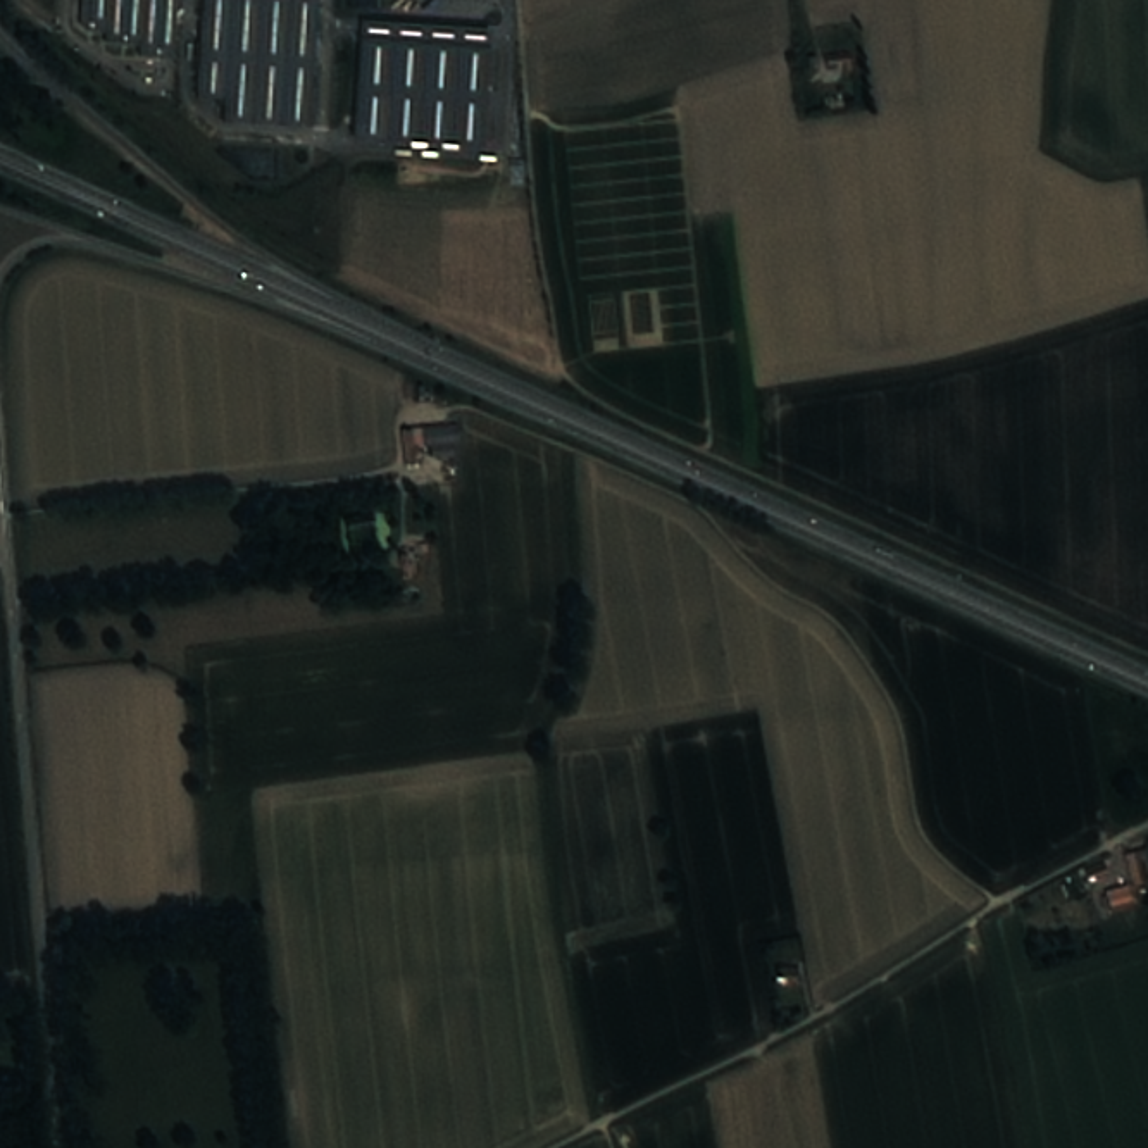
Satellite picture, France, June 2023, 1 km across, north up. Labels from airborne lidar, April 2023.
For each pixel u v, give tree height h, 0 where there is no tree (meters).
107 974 0
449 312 0
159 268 0
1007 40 0
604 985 0
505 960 0
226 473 0
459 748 0
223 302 0
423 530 0
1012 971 0
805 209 0
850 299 0
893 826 0
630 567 0
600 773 0
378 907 0
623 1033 0
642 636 0
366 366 0
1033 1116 0
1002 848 0
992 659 0
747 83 0
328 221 0
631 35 0
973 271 0
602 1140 0
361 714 0
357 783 0
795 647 0
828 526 0
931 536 0
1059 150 0
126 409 0
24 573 0
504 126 0
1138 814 0
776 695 0
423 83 0
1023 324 0
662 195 0
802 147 0
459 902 0
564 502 0
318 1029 0
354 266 0
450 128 0
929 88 0
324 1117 0
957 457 0
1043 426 0
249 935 30
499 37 0
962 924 0
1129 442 0
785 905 0
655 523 0
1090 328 0
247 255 0
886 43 0
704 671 0
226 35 0
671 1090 0
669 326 0
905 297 0
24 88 25
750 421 0
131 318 0
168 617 0
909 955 0
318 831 0
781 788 0
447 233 0
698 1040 0
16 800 0
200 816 0
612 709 0
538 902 0
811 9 0
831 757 0
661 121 0
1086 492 0
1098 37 0
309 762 0
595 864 0
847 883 0
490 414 0
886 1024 0
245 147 0
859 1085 0
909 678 0
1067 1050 0
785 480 0
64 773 0
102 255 0
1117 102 0
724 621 0
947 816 0
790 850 0
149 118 0
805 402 0
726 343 0
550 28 0
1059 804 0
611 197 0
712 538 0
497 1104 0
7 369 0
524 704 0
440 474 0
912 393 0
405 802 0
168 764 0
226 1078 0
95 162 0
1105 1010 0
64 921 14
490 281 0
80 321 0
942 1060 0
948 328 0
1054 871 0
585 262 0
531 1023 0
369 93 0
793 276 0
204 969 0
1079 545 0
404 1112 0
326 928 0
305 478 0
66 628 14
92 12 0
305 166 0
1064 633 0
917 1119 0
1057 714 0
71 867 0
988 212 0
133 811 0
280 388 0
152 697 0
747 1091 0
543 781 0
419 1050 0
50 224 0
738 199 0
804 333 0
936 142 0
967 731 0
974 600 0
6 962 0
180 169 0
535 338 0
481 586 0
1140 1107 0
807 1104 0
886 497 0
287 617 0
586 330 0
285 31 0
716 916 0
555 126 0
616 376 0
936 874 0
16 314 0
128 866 0
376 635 0
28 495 0
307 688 0
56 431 0
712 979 0
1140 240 0
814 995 0
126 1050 0
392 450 0
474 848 0
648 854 0
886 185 0
